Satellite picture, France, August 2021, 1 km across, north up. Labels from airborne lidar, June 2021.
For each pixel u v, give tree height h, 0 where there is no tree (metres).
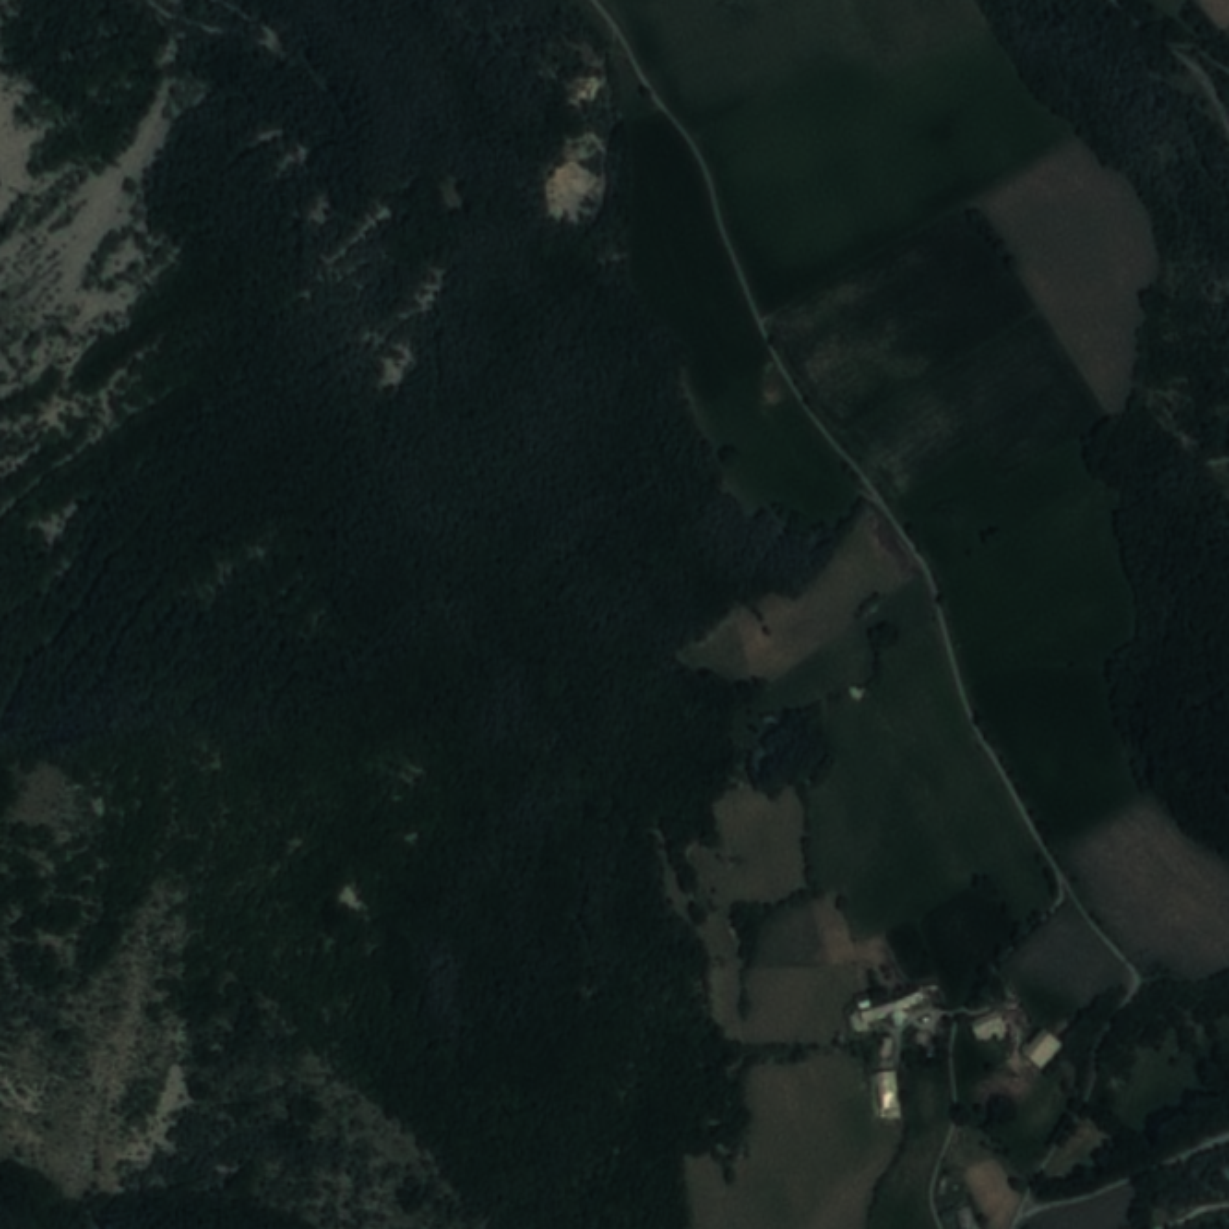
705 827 12
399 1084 16
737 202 0
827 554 11
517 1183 13
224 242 10
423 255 11
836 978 0
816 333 0
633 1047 14
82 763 7
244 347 11
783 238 0
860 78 0
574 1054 17
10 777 12
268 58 8
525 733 15
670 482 18
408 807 11
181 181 13
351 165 16
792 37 0
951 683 0
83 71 13
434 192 16
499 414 14
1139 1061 0
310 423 14
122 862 9
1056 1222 0
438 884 14
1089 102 13
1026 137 0
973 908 0
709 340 0
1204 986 7
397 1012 18
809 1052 9
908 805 0
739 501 10
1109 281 0
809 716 11
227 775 8
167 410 9
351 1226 8
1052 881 9
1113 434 16
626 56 0
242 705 11
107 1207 10
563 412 13
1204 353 15
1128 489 13
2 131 0
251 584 12
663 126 0
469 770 12
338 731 9
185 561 16
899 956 0
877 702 0
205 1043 9
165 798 7
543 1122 15
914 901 0
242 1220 14
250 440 17
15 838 9
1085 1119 10
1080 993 0
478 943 17
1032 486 0
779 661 0
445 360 15
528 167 12
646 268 0
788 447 0
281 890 9
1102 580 0
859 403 0
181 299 10
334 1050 7
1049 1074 9
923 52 0
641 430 15
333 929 12
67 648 15
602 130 7
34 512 11
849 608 0
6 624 11
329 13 15
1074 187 0
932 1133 0
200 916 8
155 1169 10
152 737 8
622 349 15
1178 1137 19
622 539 22
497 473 16
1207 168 14
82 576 12
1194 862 0
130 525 10
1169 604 14
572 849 15
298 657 14
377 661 15
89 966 8
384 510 19
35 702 13
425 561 20
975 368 0
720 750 16
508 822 14
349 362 11
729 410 0
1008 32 10
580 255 20
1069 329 0
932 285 0
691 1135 16
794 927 0
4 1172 12
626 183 9
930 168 0
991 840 0
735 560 14
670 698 14
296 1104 10
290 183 14
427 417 15
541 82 12
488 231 14
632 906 16
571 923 11
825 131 0
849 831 0
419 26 14
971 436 0
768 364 0
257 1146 10
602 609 17
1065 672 0
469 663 13
